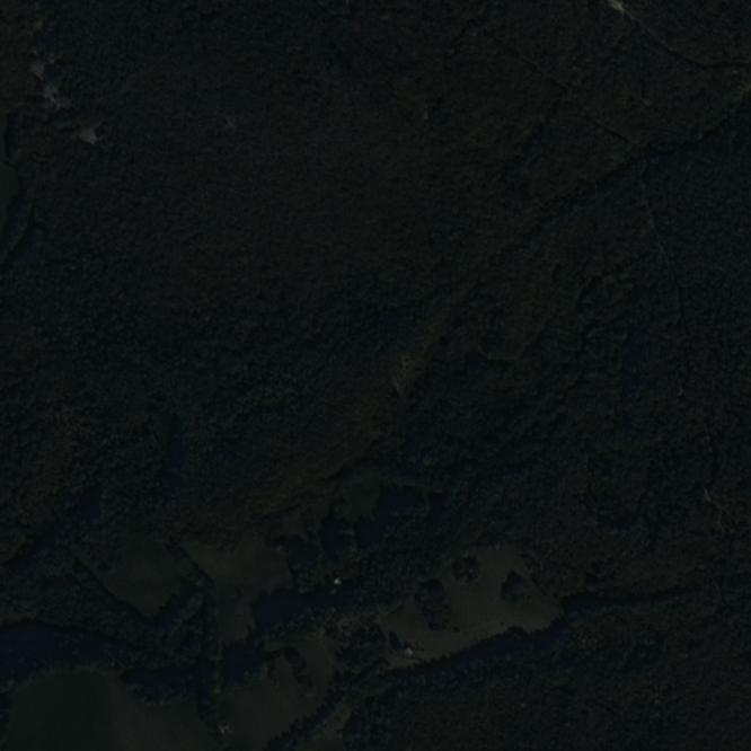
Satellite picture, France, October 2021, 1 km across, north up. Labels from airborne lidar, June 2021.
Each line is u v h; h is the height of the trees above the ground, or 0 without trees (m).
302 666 15
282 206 13
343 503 25
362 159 13
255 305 21
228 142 17
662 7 18
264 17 26
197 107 18
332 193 14
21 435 15
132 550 0
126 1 18
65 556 17
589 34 13
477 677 19
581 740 22
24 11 17
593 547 23
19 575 18
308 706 0
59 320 17
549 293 28
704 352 22
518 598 13
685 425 25
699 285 16
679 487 24
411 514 20
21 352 17
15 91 22
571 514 19
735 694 19
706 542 24
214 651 22
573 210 24
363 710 18
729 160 21
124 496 17
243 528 21
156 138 15
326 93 10
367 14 20
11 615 11
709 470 17
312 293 17
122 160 14
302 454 19
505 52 20
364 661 15
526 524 17
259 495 17
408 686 22
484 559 0
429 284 26
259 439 23
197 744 0
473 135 24
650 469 20
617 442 25
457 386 16
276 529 20
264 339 17
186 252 15
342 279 20
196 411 24
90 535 22
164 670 9
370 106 13
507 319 21
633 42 17
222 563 0
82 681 0
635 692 17
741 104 12
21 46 17
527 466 29
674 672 21
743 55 16
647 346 15
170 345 15
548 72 13
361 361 17
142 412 21
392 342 19
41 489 13
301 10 18
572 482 23
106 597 16
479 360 6
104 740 0
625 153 20
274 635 26
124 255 18
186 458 24
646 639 18
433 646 0
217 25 27
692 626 22
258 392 22
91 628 26
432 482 23
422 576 16
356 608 18
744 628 22
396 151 10
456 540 23
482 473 27
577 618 22
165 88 20
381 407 20
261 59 24
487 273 22
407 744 22
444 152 28
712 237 19
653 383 16
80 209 19
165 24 22
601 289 31
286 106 24
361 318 20
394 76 26
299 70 21
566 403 28
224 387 22
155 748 0
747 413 19
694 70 17
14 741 0
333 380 24
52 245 17
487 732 21
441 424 17
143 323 17
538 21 18
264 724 0
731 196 17
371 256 15
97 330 23
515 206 24
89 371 15
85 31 16
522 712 17
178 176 16
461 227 28
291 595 0
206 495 17
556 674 25
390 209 18
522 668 23
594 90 18
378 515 0
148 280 17
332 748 0
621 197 21
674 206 17
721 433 17
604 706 21
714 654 21
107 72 15
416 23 19
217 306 19
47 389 12
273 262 12
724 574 14
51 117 10
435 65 22
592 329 26
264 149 13
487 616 0
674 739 22
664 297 25
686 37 21
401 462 12
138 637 23
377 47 28
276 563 0
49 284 13
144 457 23
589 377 29
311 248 7
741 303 22
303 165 11
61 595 18
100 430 10
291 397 21
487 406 18
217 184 13
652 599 10
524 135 17
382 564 22
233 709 0
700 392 16
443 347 24
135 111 13
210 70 19
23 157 20
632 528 20
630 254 19
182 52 17
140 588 0
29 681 13
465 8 20
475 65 28
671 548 17
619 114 19
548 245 26
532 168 27
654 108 17
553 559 18
